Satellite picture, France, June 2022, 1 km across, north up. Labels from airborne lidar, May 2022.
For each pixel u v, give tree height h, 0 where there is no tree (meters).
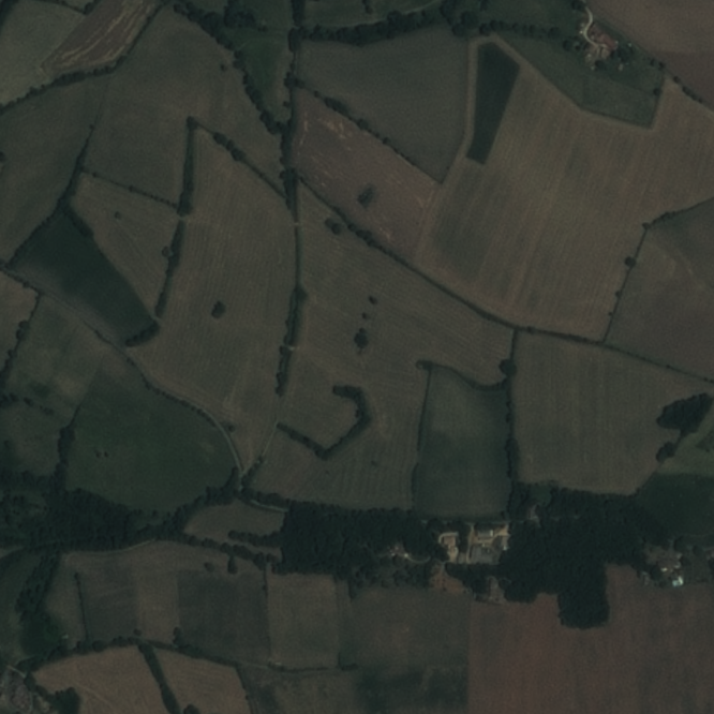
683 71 0
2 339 0
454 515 0
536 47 0
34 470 0
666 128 0
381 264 0
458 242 0
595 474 0
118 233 0
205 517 0
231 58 0
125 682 0
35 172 0
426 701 0
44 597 6
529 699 0
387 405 0
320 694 0
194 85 0
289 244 0
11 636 0
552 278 0
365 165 0
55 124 0
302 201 0
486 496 0
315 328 0
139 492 0
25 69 0
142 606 0
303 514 18
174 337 0
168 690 7
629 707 0
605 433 0
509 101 0
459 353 0
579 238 0
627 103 0
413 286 0
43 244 0
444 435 0
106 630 0
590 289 0
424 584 7
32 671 9
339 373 0
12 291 0
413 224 0
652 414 0
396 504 0
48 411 8
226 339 0
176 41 0
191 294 0
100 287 0
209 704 0
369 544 15
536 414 0
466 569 10
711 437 0
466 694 0
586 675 0
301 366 0
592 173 0
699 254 0
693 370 0
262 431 0
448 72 0
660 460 12
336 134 0
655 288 0
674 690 0
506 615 0
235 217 0
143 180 0
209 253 0
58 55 0
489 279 0
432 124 0
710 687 0
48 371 0
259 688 0
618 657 0
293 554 15
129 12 0
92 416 0
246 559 7
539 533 12
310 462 0
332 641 0
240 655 0
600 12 0
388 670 0
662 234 0
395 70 0
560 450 0
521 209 0
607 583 12
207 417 9
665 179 0
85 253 0
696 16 0
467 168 0
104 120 0
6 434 0
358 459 0
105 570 0
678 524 0
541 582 14
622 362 0
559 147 0
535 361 0
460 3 23
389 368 0
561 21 0
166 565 0
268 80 0
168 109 0
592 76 0
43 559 9
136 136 0
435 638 0
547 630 0
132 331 0
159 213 0
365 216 0
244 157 16
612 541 15
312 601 0
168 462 0
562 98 0
